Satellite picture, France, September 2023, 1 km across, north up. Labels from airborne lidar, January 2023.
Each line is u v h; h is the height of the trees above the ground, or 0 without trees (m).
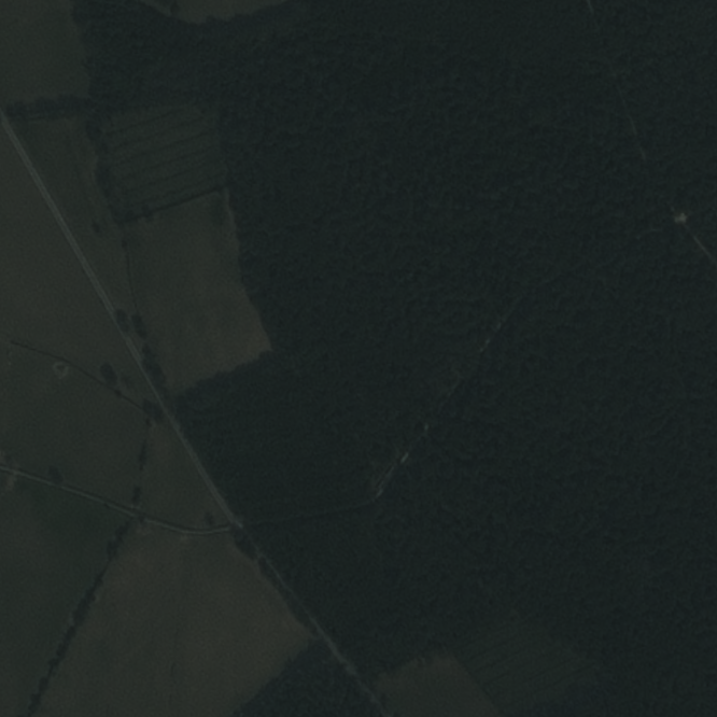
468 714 0
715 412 22
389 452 23
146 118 0
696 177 9
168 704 0
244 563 0
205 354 0
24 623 0
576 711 28
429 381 19
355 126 26
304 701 22
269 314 18
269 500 18
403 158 10
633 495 20
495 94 13
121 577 0
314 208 23
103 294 0
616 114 7
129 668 0
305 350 22
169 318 0
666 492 19
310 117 17
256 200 18
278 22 21
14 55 0
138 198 0
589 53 13
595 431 14
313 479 18
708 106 22
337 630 15
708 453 23
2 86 0
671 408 14
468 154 19
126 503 0
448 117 12
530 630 0
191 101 15
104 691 0
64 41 0
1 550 0
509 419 26
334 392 19
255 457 15
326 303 25
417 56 6
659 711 26
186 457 0
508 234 23
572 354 23
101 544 0
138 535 0
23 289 0
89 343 0
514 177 24
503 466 21
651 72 24
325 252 21
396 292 26
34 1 0
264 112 24
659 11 25
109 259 0
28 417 0
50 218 0
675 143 19
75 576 0
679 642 24
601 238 13
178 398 0
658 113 20
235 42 19
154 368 16
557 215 16
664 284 20
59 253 0
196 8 0
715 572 25
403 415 21
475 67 21
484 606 27
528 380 18
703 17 18
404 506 20
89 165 0
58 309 0
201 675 0
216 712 0
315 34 14
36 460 0
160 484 0
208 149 0
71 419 0
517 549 22
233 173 18
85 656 0
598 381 24
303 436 17
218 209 0
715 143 24
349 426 21
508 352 24
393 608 20
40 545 0
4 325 0
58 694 0
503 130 20
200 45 15
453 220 23
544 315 23
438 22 13
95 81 11
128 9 8
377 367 20
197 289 0
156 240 0
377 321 23
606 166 14
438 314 21
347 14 24
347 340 22
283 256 20
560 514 21
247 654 0
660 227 18
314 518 14
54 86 0
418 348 21
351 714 21
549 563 25
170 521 0
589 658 21
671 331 21
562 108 8
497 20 14
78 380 0
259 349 0
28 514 0
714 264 17
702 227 19
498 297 17
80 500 0
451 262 23
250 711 13
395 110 20
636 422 18
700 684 24
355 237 21
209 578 0
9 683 0
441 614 25
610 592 21
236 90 10
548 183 10
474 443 19
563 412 19
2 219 0
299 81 18
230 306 0
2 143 0
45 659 0
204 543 0
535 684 0
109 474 0
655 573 18
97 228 15
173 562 0
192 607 0
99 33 14
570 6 11
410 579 22
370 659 24
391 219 25
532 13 12
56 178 0
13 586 0
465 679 0
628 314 24
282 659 0
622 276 23
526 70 7
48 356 0
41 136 0
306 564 16
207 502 0
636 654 22
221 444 15
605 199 20
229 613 0
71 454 0
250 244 19
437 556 22
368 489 14
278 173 24
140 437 0
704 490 20
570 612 23
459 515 23
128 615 0
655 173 20
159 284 0
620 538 21
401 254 24
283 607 0
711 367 21
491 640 0
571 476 21
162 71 13
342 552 15
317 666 19
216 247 0
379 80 6
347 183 25
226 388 17
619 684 25
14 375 0
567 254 10
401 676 0
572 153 8
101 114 14
